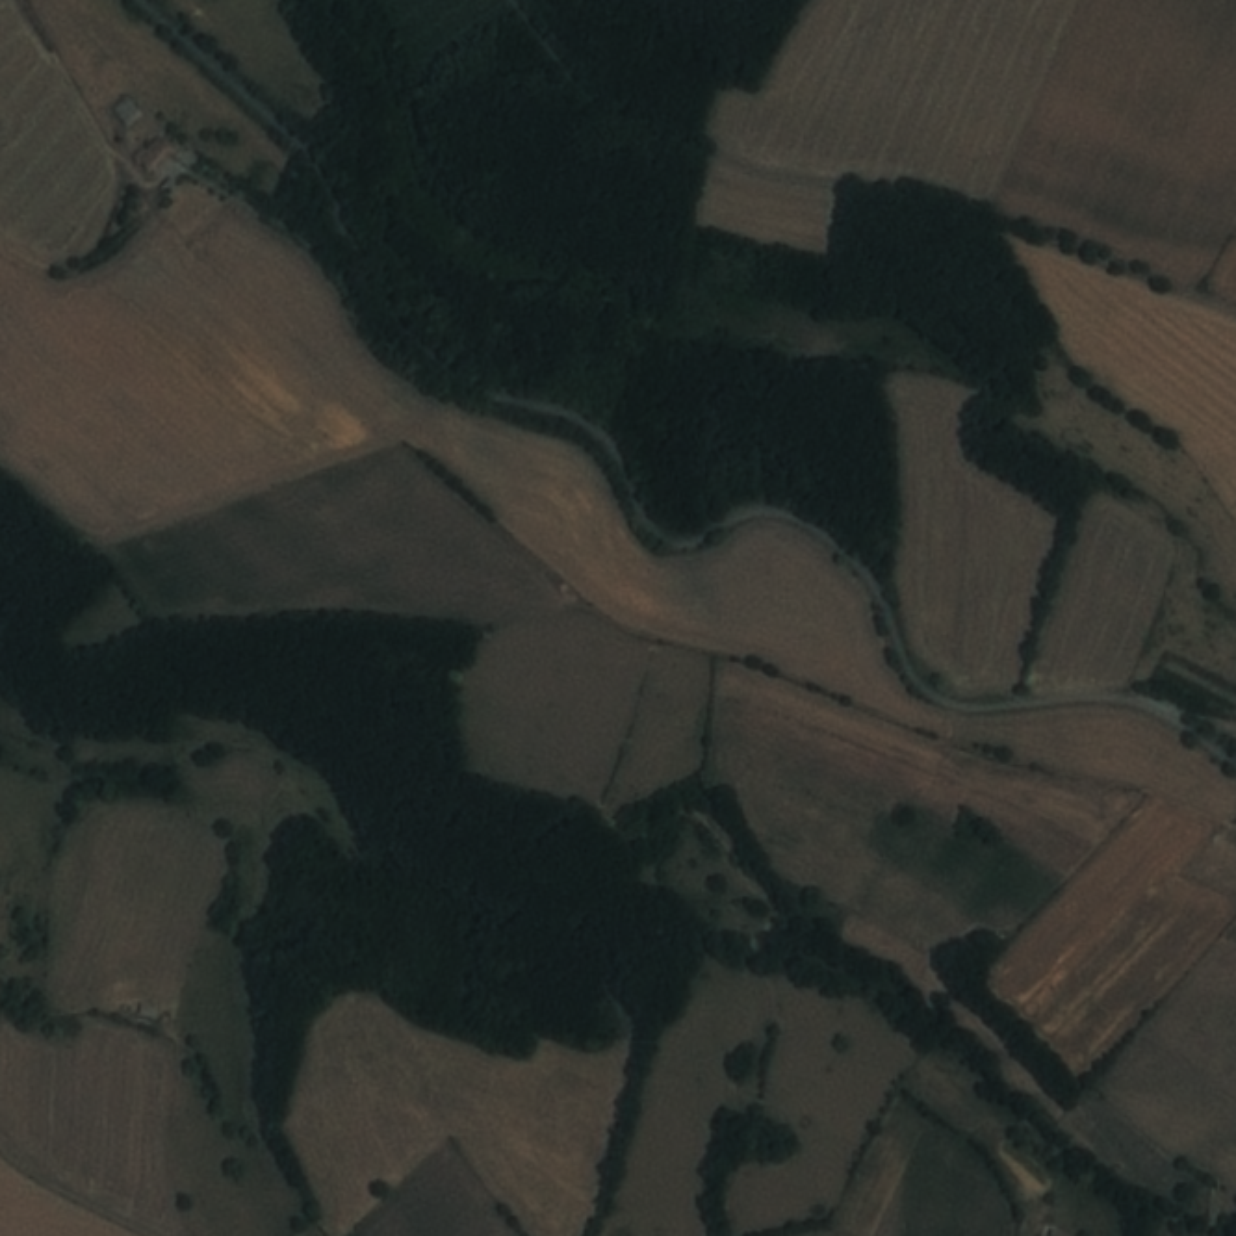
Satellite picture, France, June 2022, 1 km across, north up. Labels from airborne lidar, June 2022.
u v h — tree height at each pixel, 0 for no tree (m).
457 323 24
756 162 0
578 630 0
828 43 0
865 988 9
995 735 0
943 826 0
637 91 13
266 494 0
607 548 0
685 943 24
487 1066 0
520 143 17
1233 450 0
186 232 0
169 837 0
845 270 23
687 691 0
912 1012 17
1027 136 0
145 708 24
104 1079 0
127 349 0
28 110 0
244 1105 0
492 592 0
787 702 0
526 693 0
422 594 0
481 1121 0
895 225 21
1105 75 0
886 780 0
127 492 0
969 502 0
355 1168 0
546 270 10
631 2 23
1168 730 0
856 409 30
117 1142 0
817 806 0
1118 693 0
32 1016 16
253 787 0
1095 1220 0
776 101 0
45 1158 0
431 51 0
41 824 0
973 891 0
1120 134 0
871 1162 0
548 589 0
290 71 0
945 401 0
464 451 0
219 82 10
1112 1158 0
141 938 0
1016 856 0
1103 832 0
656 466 18
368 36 11
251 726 20
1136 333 0
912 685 11
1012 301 24
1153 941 0
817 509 25
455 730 10
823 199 0
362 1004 0
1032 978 0
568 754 0
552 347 27
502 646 0
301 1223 14
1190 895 0
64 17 0
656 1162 0
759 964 21
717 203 0
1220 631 0
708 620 0
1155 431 10
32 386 0
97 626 0
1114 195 0
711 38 28
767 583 0
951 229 23
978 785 0
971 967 19
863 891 0
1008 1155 0
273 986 20
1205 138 0
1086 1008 0
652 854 19
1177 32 0
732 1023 0
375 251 17
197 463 0
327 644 24
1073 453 8
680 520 15
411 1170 0
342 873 6
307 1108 0
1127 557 0
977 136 0
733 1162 20
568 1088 0
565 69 13
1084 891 0
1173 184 0
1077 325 0
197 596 0
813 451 27
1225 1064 0
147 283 0
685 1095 0
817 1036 0
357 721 26
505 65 11
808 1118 0
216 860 0
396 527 0
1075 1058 0
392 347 12
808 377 33
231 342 0
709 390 18
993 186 0
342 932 6
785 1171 0
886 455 25
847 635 0
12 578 23
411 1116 0
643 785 0
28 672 23
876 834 0
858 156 0
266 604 0
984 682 0
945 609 0
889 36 0
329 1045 0
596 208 24
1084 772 0
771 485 22
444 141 15
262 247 0
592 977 19
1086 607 0
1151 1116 0
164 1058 0
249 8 0
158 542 0
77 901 0
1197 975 0
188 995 0
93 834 0
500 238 25
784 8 22
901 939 0
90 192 0
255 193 7
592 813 18
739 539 0
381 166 20
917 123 0
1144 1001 0
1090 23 0
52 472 0
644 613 0
